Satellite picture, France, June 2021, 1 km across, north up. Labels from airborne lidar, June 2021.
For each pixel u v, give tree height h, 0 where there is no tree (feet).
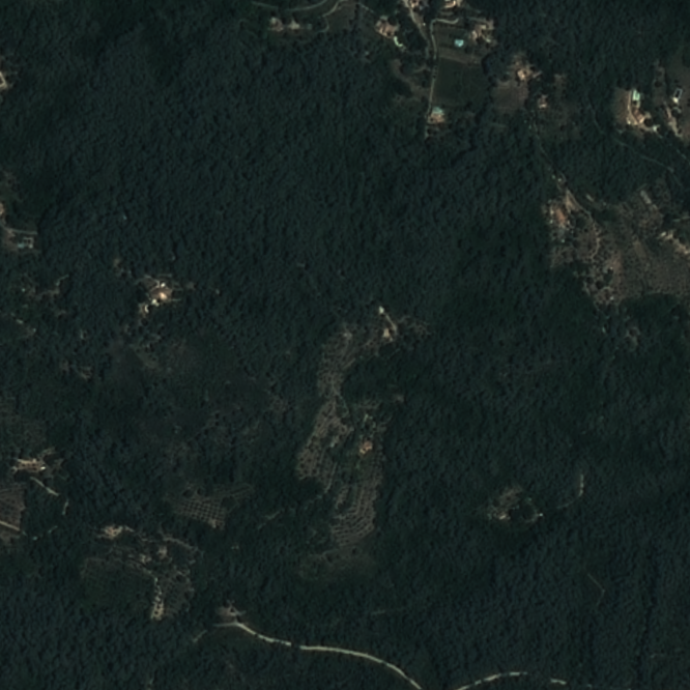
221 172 76
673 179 44
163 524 32
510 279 60
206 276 52
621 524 37
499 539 25
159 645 63
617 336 43
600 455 36
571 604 73
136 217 64
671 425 66
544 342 17
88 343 54
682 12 51
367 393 19
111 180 68
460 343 61
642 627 36
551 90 42
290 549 43
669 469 22
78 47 45
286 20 54
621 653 64
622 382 69
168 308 26
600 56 67
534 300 87
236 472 83
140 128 75
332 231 47
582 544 27
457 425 25
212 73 49
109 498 43
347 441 37
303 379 51
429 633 59
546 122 34
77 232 65
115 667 91
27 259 19
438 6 66
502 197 71
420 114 19
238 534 74
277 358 59
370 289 45
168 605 20
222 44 63
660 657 36
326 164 54
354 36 64
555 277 39
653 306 26
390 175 58
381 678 30
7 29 29
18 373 47
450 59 0
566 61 39
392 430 54
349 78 56
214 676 23
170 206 60
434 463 62
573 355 38
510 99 0
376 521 41
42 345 55
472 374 50
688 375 19
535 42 63
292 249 70
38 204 27
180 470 53
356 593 54
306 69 73
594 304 25
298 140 56
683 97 0
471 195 71
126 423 22
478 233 28
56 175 62
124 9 53
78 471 70
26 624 70
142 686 53
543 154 34
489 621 64
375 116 52
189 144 70
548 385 56
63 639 32
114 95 66
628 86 50
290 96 68
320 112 71
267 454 26
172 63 52
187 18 64
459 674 73
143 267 57
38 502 43
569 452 30
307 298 50
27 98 55
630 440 31
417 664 68
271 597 71
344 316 40
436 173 70
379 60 33
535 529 59
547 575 72
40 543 39
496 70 70
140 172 72
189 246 54
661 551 66
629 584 64
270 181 46
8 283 40
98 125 49
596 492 46
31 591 53
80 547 31
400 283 45
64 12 34
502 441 55
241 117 79
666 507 80
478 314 34
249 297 62
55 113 74
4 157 44
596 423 71
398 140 40
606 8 71
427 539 46
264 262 75
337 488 24
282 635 32
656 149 49
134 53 80
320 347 28
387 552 25
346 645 24
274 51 51
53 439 40
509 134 29
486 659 54
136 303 30
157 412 36
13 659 69
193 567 31
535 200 23
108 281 51
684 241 28
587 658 26
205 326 25
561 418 33
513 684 46
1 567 19
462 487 66
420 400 63
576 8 28
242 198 60
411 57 53
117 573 27
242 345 51
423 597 65
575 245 23
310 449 22
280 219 72
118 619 79
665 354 28
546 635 71
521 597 86
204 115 64
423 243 64
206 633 20
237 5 34
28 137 41
